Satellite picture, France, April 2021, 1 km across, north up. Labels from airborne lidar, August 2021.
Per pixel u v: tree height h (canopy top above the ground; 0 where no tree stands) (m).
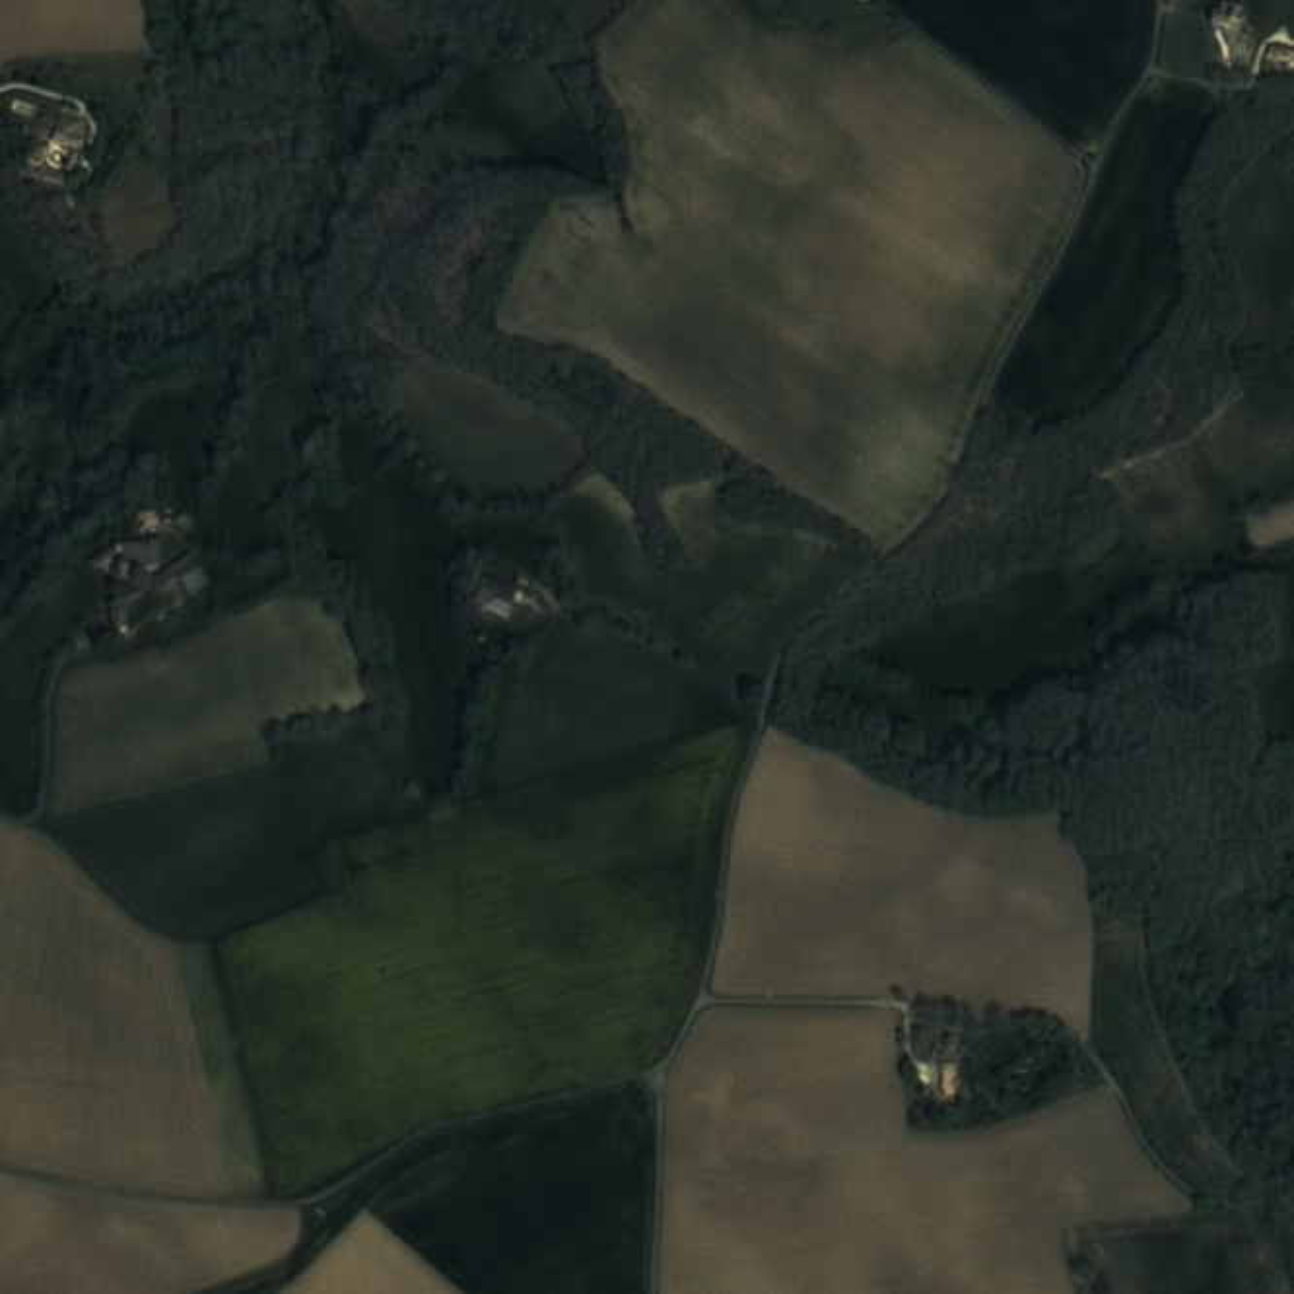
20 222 6
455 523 16
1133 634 0
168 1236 0
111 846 0
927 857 0
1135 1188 0
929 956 0
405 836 0
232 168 23
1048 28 0
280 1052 0
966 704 17
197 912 0
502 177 17
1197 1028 11
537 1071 0
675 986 0
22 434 15
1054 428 14
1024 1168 0
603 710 0
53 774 0
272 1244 0
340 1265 0
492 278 16
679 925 0
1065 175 0
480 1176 0
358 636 18
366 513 0
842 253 0
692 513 0
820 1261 0
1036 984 0
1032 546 22
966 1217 0
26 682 0
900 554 10
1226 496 0
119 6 0
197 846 0
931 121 0
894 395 0
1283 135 19
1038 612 0
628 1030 0
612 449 19
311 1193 0
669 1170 0
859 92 0
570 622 0
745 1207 0
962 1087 0
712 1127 0
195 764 0
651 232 0
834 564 0
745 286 0
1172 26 0
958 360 0
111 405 23
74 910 0
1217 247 24
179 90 17
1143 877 12
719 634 0
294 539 15
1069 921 0
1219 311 24
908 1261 0
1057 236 0
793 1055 0
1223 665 22
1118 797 18
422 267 10
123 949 0
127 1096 0
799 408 0
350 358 11
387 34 0
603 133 12
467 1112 0
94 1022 0
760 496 13
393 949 0
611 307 0
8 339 17
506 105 0
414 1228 0
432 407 0
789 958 0
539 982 0
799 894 0
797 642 12
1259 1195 13
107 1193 0
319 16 17
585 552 0
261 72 20
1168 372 13
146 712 0
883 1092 0
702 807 0
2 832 0
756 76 0
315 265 13
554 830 0
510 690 0
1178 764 17
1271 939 10
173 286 16
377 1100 0
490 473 0
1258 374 10
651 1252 0
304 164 18
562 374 16
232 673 0
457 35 17
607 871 0
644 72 0
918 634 0
